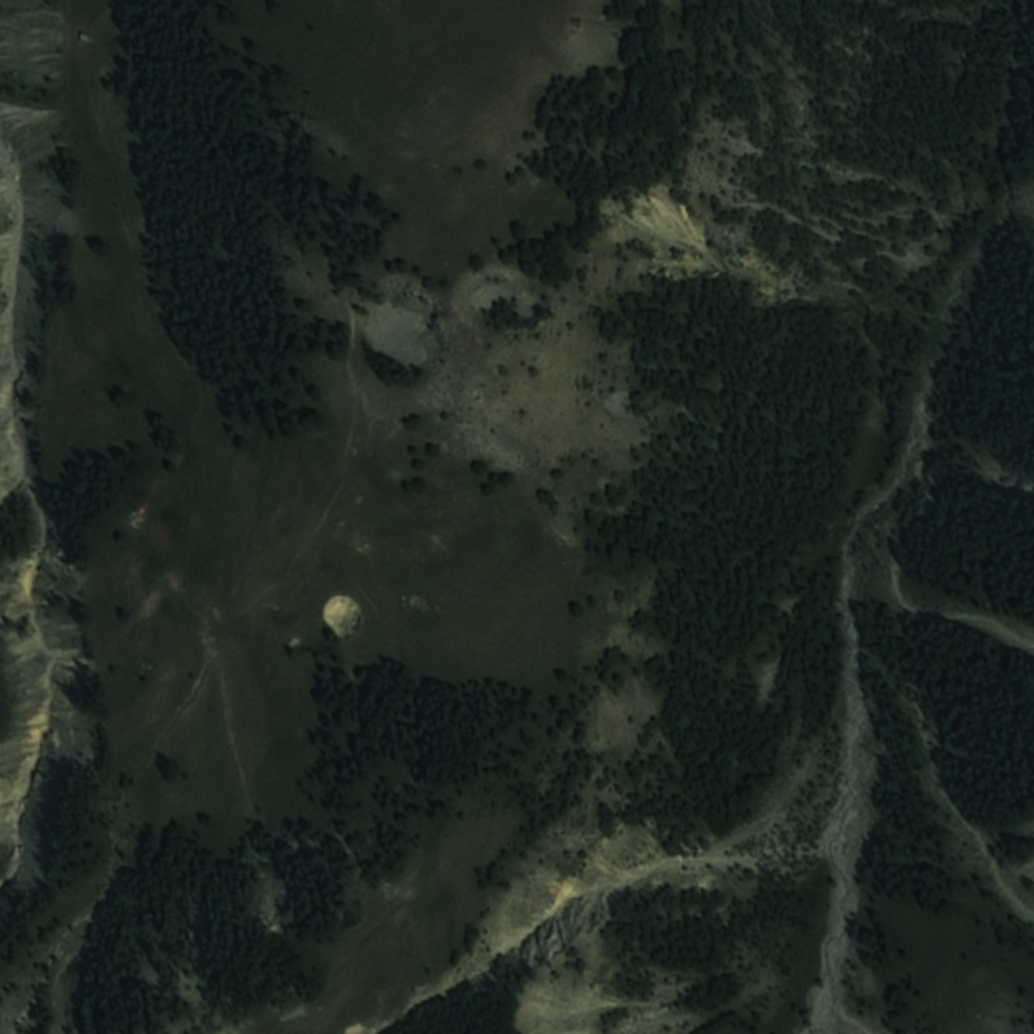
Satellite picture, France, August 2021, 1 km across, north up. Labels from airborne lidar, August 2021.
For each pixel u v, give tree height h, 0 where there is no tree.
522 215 0
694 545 26
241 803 0
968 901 0
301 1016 0
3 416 0
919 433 0
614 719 0
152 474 0
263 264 13
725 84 22
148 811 0
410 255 0
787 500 28
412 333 0
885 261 12
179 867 16
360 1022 0
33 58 0
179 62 25
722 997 22
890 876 23
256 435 0
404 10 0
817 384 27
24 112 0
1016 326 17
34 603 0
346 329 17
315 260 0
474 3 0
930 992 0
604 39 0
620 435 0
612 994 0
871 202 16
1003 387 17
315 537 0
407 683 24
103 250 22
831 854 0
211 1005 8
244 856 16
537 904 0
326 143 0
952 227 0
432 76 0
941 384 16
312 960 0
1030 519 19
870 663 19
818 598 8
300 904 19
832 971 0
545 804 12
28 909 7
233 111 28
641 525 27
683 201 11
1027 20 27
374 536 0
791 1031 0
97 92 0
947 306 0
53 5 7
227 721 0
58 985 0
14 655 0
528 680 0
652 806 16
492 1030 22
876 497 0
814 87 23
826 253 7
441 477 0
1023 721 24
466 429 0
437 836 0
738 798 20
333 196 18
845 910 0
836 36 10
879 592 0
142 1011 18
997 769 17
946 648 23
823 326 29
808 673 10
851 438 22
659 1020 0
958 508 24
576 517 0
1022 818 21
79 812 20
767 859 6
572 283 8
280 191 23
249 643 0
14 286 0
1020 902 0
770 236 17
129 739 0
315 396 17
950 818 9
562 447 0
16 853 0
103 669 0
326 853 10
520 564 0
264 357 26
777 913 9
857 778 0
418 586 0
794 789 0
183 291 16
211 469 0
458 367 0
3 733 9
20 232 0
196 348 24
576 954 11
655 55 20
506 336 6
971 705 15
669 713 15
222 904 19
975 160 18
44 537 0
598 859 0
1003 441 20
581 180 22
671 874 0
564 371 0
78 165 12
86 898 0
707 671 24
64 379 0
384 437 0
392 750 19
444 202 0
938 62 27
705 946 20
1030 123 20
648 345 18
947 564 28
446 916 0
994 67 18
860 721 0
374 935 0
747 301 17
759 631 15
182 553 0
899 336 17
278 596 0
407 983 0
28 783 0
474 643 0
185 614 0
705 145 11
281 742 0
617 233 0
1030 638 0
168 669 0
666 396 12
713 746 22
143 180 23
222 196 29
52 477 0
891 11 14
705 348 28
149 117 26
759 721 14
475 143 0
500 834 0
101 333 0
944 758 16
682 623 21
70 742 0
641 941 15
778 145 16
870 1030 0
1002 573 23
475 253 0
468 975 0
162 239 21
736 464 19
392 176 0
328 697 19
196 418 0
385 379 18
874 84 23
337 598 0
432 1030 13
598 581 0
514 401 0
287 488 0
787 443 26
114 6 0
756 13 16
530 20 0
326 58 0
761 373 27
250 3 0
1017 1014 0
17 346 0
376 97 0
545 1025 0
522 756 14
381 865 9
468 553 0
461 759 24
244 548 0
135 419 0
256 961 16
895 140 19
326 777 14
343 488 0
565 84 15
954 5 19
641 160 22
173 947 7
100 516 16
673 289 20
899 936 0
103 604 0
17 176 0
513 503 0
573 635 0
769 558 28
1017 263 20
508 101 0
